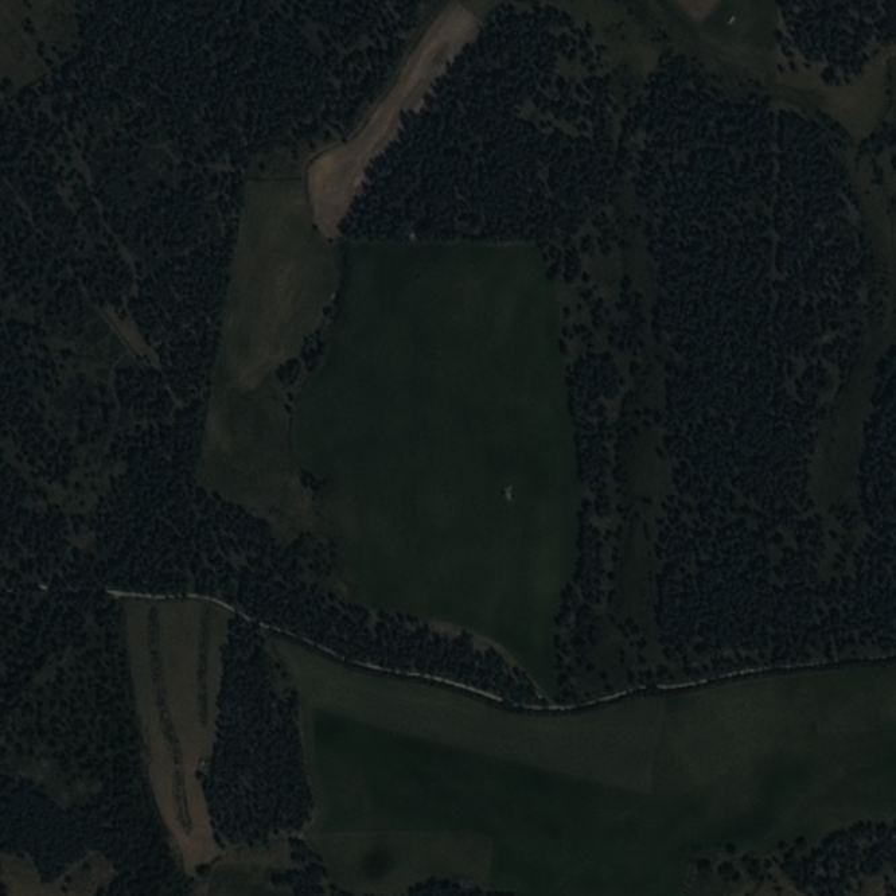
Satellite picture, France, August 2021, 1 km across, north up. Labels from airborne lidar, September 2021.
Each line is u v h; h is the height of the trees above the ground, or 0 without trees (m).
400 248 0
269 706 12
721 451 12
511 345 0
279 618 17
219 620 0
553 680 0
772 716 0
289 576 15
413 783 0
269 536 14
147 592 12
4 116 10
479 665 14
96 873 0
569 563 0
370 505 0
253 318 0
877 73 0
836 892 13
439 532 0
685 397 12
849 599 17
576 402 17
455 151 8
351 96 14
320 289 0
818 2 14
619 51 0
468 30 0
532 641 0
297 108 11
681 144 15
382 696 0
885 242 0
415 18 12
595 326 11
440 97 14
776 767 0
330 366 0
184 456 14
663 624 15
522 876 0
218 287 16
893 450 16
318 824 0
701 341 17
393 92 0
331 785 0
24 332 15
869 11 16
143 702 0
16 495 13
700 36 0
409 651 17
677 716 0
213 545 16
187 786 0
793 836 0
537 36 14
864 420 0
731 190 11
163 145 0
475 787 0
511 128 19
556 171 13
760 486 17
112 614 10
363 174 0
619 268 0
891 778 0
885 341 0
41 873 11
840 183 13
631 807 0
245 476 0
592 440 17
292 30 17
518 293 0
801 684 0
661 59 7
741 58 0
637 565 0
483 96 17
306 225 0
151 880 11
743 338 16
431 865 0
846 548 9
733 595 16
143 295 10
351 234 14
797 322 15
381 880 0
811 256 11
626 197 0
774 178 9
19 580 15
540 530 0
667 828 0
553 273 14
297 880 10
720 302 16
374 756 0
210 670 0
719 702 0
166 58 17
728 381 19
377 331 0
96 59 17
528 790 0
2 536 16
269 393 0
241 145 17
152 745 0
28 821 14
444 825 0
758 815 0
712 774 0
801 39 15
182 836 0
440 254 0
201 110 14
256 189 0
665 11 0
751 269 14
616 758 0
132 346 0
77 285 11
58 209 8
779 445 19
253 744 16
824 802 0
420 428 0
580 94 15
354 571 0
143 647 0
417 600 0
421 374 0
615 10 0
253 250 0
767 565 17
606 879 0
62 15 0
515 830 0
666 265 17
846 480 0
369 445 0
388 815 0
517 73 17
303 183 0
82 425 11
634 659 0
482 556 0
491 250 0
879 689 0
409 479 0
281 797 16
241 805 16
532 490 0
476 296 0
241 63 16
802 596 16
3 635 10
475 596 0
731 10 0
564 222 17
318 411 0
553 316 0
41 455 13
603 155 9
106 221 13
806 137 14
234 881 0
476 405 0
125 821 10
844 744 0
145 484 16
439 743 0
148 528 13
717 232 15
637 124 10
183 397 15
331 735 0
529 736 0
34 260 10
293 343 0
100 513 7
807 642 11
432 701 0
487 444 0
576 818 0
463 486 0
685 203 15
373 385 0
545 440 0
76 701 8
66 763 14
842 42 14
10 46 0
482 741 0
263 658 13
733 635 17
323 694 0
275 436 0
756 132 14
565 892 0
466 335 0
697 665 0
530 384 0
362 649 13
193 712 0
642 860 0
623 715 0
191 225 18
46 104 0
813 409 16
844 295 13
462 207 16
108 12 18
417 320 0
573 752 0
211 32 20
